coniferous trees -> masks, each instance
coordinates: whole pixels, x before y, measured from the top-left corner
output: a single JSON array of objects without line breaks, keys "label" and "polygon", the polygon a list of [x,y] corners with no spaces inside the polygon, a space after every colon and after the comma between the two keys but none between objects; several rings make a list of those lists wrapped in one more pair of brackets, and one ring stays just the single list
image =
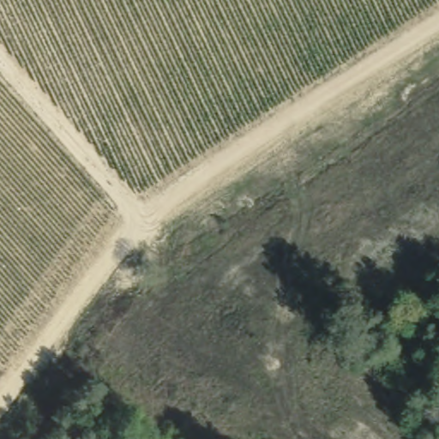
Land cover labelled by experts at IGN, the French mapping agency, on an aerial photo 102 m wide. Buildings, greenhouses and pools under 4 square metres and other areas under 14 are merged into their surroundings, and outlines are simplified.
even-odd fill
[{"label": "coniferous trees", "polygon": [[84,436],[82,425],[72,425],[70,415],[74,415],[77,408],[87,408],[94,415],[99,415],[103,406],[110,412],[120,412],[123,406],[127,405],[123,403],[120,394],[106,393],[105,386],[94,381],[91,372],[82,370],[75,364],[74,358],[67,357],[65,353],[62,353],[55,362],[45,362],[43,358],[38,358],[34,369],[24,372],[24,386],[17,394],[17,398],[7,408],[0,408],[0,439],[96,439],[94,432]]},{"label": "coniferous trees", "polygon": [[343,280],[345,288],[348,288],[348,295],[345,302],[341,302],[341,309],[334,312],[334,324],[329,328],[328,340],[333,341],[334,348],[345,357],[345,364],[350,365],[350,374],[365,374],[365,382],[376,401],[377,408],[388,415],[389,422],[393,422],[396,427],[400,425],[406,403],[415,408],[422,408],[422,422],[412,430],[410,436],[406,436],[403,439],[439,439],[439,297],[422,304],[422,300],[415,293],[405,292],[400,298],[394,293],[389,293],[382,302],[369,302],[360,292],[357,276]]},{"label": "coniferous trees", "polygon": [[171,406],[156,417],[156,422],[161,436],[165,436],[166,430],[171,427],[178,429],[171,439],[232,439],[230,436],[219,434],[211,424],[199,424],[189,412],[182,412]]}]

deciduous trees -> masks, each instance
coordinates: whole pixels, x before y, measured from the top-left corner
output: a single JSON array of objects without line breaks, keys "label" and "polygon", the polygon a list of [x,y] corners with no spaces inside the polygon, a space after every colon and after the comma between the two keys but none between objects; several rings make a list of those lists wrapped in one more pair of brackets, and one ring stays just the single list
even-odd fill
[{"label": "deciduous trees", "polygon": [[161,436],[156,422],[153,418],[146,417],[142,408],[137,410],[135,405],[127,405],[123,406],[120,412],[110,412],[103,406],[99,415],[94,415],[87,408],[77,408],[74,415],[70,415],[72,425],[82,425],[84,436],[94,432],[96,439],[171,439],[178,429],[171,427],[166,430],[165,436]]},{"label": "deciduous trees", "polygon": [[415,408],[406,403],[400,425],[401,432],[406,436],[410,436],[412,430],[422,422],[422,408]]}]

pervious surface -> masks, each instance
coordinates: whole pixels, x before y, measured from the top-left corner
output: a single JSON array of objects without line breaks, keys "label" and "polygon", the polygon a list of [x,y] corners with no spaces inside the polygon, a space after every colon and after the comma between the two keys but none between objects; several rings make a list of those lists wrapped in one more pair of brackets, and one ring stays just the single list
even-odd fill
[{"label": "pervious surface", "polygon": [[106,159],[94,151],[94,147],[86,141],[84,134],[77,132],[74,125],[63,117],[62,110],[51,105],[48,94],[39,89],[38,82],[27,77],[26,70],[17,65],[14,57],[7,55],[7,51],[0,43],[0,79],[9,82],[12,94],[21,99],[27,110],[38,115],[39,122],[45,123],[51,130],[51,135],[60,141],[63,149],[75,159],[75,163],[86,170],[91,180],[98,183],[99,189],[110,195],[111,201],[117,204],[117,213],[122,214],[123,218],[122,226],[118,226],[117,230],[106,238],[105,249],[99,254],[93,266],[84,271],[84,276],[77,281],[77,285],[67,295],[60,309],[53,314],[46,328],[24,352],[17,350],[15,355],[10,357],[9,370],[0,379],[0,408],[7,408],[17,398],[17,394],[24,386],[24,372],[34,369],[38,358],[41,348],[51,350],[53,346],[69,338],[69,331],[75,319],[93,300],[99,288],[105,285],[113,268],[129,254],[130,250],[137,249],[141,242],[149,244],[158,235],[163,223],[177,218],[194,202],[202,199],[204,195],[211,194],[213,190],[223,189],[226,185],[244,178],[250,170],[266,161],[269,153],[273,153],[283,144],[295,141],[300,132],[316,127],[319,123],[328,122],[329,118],[343,115],[345,106],[350,105],[352,101],[357,101],[358,105],[369,111],[370,106],[376,103],[377,99],[386,96],[396,82],[403,81],[413,70],[418,70],[424,65],[425,51],[439,46],[439,2],[422,10],[412,21],[405,22],[403,26],[377,39],[365,50],[358,51],[357,55],[348,58],[341,65],[336,65],[328,74],[322,75],[321,79],[298,89],[292,98],[285,99],[280,105],[264,111],[254,122],[245,123],[237,132],[228,135],[225,141],[209,147],[201,156],[190,159],[187,165],[178,166],[168,177],[161,178],[141,192],[130,189],[127,182],[118,178],[117,171],[111,170]]}]

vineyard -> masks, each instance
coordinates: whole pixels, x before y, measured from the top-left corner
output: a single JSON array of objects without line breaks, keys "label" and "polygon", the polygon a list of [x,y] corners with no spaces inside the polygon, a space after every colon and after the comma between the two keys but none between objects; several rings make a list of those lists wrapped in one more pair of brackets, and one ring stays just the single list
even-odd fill
[{"label": "vineyard", "polygon": [[161,178],[168,177],[178,166],[187,165],[190,159],[201,156],[209,147],[225,141],[228,135],[237,132],[245,123],[254,122],[264,111],[280,105],[285,99],[292,98],[298,89],[321,79],[322,75],[328,74],[336,65],[341,65],[348,58],[357,55],[358,51],[365,50],[377,39],[403,26],[405,22],[412,21],[422,10],[439,2],[439,0],[0,0],[0,43],[7,51],[7,55],[14,57],[17,65],[26,70],[27,77],[38,82],[39,89],[48,94],[51,105],[62,110],[63,117],[74,125],[77,132],[84,134],[86,141],[94,147],[94,151],[106,159],[111,170],[117,171],[118,178],[127,182],[130,189],[141,192]]},{"label": "vineyard", "polygon": [[117,204],[111,201],[110,195],[99,189],[98,183],[91,180],[86,170],[75,163],[75,159],[63,149],[60,141],[51,135],[51,130],[45,123],[39,122],[38,115],[27,110],[21,99],[12,94],[9,82],[0,79],[0,379],[9,370],[10,357],[15,355],[17,350],[24,352],[46,328],[53,314],[60,309],[67,295],[77,285],[77,281],[84,276],[84,271],[93,266],[99,254],[105,249],[106,238],[117,230],[118,226],[122,226],[123,218],[122,214],[117,213]]}]

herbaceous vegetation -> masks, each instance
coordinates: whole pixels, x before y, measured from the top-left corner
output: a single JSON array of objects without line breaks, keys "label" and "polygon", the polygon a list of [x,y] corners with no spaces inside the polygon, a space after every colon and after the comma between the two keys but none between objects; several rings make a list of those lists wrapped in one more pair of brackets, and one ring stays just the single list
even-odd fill
[{"label": "herbaceous vegetation", "polygon": [[75,364],[82,370],[91,372],[94,381],[105,386],[106,393],[120,394],[123,403],[127,405],[135,405],[137,410],[142,408],[146,417],[153,418],[156,422],[156,417],[171,406],[182,412],[189,412],[199,424],[211,424],[219,434],[230,436],[232,439],[403,439],[406,436],[401,432],[400,425],[396,427],[393,422],[389,422],[388,415],[377,408],[376,401],[365,382],[365,374],[350,374],[350,365],[345,364],[345,357],[334,348],[333,341],[328,340],[329,328],[334,324],[334,312],[341,309],[341,302],[345,302],[348,295],[348,288],[345,288],[343,280],[357,276],[360,292],[369,302],[382,302],[389,293],[394,293],[400,298],[405,292],[415,293],[422,300],[422,304],[439,297],[439,46],[425,51],[424,65],[418,70],[413,70],[403,81],[396,82],[386,96],[377,99],[376,103],[370,106],[369,111],[358,105],[357,101],[352,101],[350,105],[345,106],[343,115],[329,118],[328,122],[319,123],[316,127],[300,132],[295,141],[283,144],[273,153],[269,153],[266,161],[250,170],[244,178],[226,185],[223,189],[213,190],[211,194],[204,195],[202,199],[194,202],[177,218],[163,223],[158,235],[149,244],[141,242],[137,249],[130,250],[129,254],[113,268],[105,285],[99,288],[93,300],[75,319],[69,331],[69,338],[53,346],[51,350],[41,348],[38,358],[43,358],[45,362],[55,362],[62,353],[65,353],[67,357],[74,358]]}]

